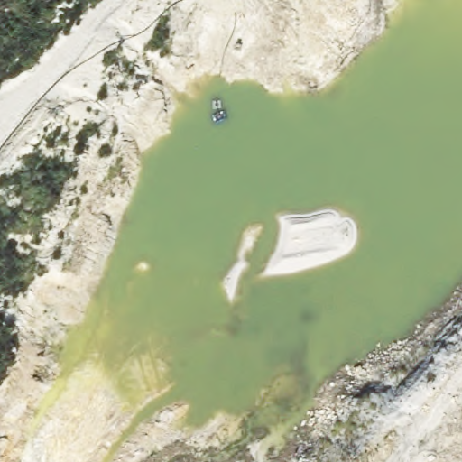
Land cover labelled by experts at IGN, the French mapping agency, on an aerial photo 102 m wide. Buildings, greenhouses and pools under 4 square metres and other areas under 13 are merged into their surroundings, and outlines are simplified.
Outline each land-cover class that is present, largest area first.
<instances>
[{"label":"water","instance_id":"1","mask_svg":"<svg viewBox=\"0 0 462 462\"><path fill-rule=\"evenodd\" d=\"M175 112L171 115L168 132L159 135L152 146L146 148L139 157V177L134 193L123 211L114 249L106 258L96 289L85 303L83 318L78 323L67 325L65 337L60 343H52L49 346V356L58 365V374L54 377L51 388L43 393L36 410L32 413L31 424L23 435V439L27 440V446H32L36 431L40 430L43 420L58 402L69 401L70 395L78 390L105 386L115 401L121 404V410L132 415V420L125 430H121L117 435V439L106 449L99 462H114L117 453L134 437L141 424L152 422L162 411H168L179 404H188L189 410L184 420L189 428L195 431L204 428L209 420L215 419L217 413H229L236 417L240 413L247 415L240 424V437L229 442L227 446H222L229 458L238 457L253 442L265 439L276 426H282L285 430L283 442L296 439L300 435L298 428L305 420L310 419V411H316L319 390L330 383L332 375L343 370L345 366H365L370 354H383L393 343L402 339L408 341L419 325H428L437 318H442V314L448 310L446 305L455 296V292L462 289V0H401L399 4L395 2L386 14L383 34L366 43L345 69L319 90H294L291 96H285L283 92L267 90L256 79L227 81L220 74H206L202 78L189 81L184 92L177 90L173 94ZM318 209H334L339 215L352 218L356 222L357 240L352 251L332 262L310 269L269 276L265 267L271 262V256L278 245L280 217L287 213H310Z\"/></svg>","mask_w":462,"mask_h":462},{"label":"pervious surface","instance_id":"2","mask_svg":"<svg viewBox=\"0 0 462 462\"><path fill-rule=\"evenodd\" d=\"M395 2L399 4L401 0H101L94 9H88L81 14V22L74 25L69 34H60L51 49L43 52L42 58L32 69L23 70L22 74L7 79L0 87V175L14 173L18 168H22V157L27 153H42L45 157H56L60 161H70L78 166V175L65 182L56 209L43 215L40 244H34L32 235L7 233L9 240L16 242L18 253L29 254L38 251L36 260L47 267V273L36 276L27 292H22L18 296L0 294V312L16 319L20 343L18 348H13L14 365L9 366L7 377L4 383L0 384V462H99L106 449L117 439V435L121 430H125L132 420V415L121 410V404L115 401L105 386L78 390L70 395L69 401L58 402L43 420L40 430L36 431L32 446H27V440L23 439V435L31 424L32 413L36 410L43 393L51 388L54 377L58 374V365L49 356V346L52 343H60L65 337L67 325L78 323L83 318L85 303L96 289L106 258L114 249L123 211L134 193L139 177V157L146 148L152 146L159 135L168 132L171 115L175 112L173 94L177 90L184 92L189 81L202 78L206 74H220L227 81L256 79L267 90L283 92L285 96H291L294 90H319L345 69L366 43L383 34L386 14ZM161 14L170 16V56H161L157 51L144 49V43L150 42ZM123 36V54L126 60L134 61L135 72L144 76L153 74L164 79L162 85L148 81L139 90H134L135 79H132V76L121 74L115 65H103L105 52L115 49L117 40ZM87 123H97L101 128V135L88 137L87 150L79 155L74 153L76 137ZM58 126L61 132L69 134V143L56 144L49 148L45 137L51 135ZM0 204L16 206L20 204V197L14 195V184L0 189ZM357 240L356 222L352 218L339 215L334 209H318L310 213H287L280 217L278 245L271 256V262L265 267L269 276L310 269L332 262L352 251ZM448 310L442 314V318H437L428 325H419L408 341L402 339L393 343L383 354H370L365 366H345L343 370L332 375L330 383L319 390L316 411H310V419L305 420L298 428L300 435L296 439L283 442L285 430L282 426H276L265 439L253 442L238 457L229 458L222 446H227L229 442L240 437V424L247 415L240 413L236 417L229 413H217L215 419L209 420L204 428L195 431L189 428L184 420L189 410L188 404H179L168 411H162L152 422L141 424L134 437L117 453L114 462H462V289L455 292V296L446 305Z\"/></svg>","mask_w":462,"mask_h":462},{"label":"brushwood","instance_id":"3","mask_svg":"<svg viewBox=\"0 0 462 462\"><path fill-rule=\"evenodd\" d=\"M101 0H0V87L7 79L22 74L23 70L32 69L42 58L43 52L51 49L60 34H69L74 25L81 22V14L88 9H94ZM170 16L161 14L150 42L144 43V49L157 51L161 56H170ZM123 36L117 40L115 49L105 52L103 65H115L121 74L132 76V79H135L134 90H139L148 81L162 85L164 79L153 74L144 76L135 72L134 61L126 60L123 54ZM101 135V128L97 123H87L76 137L74 153L79 155L87 150L88 137ZM49 148L56 144L69 143V134L61 132L58 126L51 135L45 137ZM20 343L16 319L0 312V384L4 383L7 377L9 366L14 365L13 348H18Z\"/></svg>","mask_w":462,"mask_h":462},{"label":"coniferous trees","instance_id":"4","mask_svg":"<svg viewBox=\"0 0 462 462\"><path fill-rule=\"evenodd\" d=\"M78 175V166L70 161H60L56 157H45L42 153H27L22 157V168H18L14 173L0 175V189L14 184V195L20 197V204L16 206L0 204V294L18 296L22 292H27L36 276L47 273V267L36 260L38 251L29 254L18 253L16 242L9 240L7 233L32 235L34 244H40L43 215L56 209L65 182Z\"/></svg>","mask_w":462,"mask_h":462}]
</instances>
